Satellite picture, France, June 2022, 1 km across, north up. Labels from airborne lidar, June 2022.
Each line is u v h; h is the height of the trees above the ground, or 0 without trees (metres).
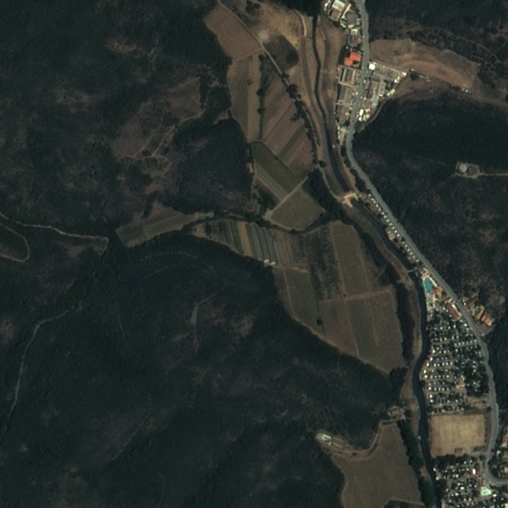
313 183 10
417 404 0
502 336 6
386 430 0
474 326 0
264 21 0
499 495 7
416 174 6
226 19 0
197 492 13
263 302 7
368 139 8
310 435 9
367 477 0
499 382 8
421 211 7
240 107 0
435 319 9
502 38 7
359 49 11
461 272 7
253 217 14
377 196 0
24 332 9
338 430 7
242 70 0
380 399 8
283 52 0
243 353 6
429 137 6
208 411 9
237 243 0
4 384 8
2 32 6
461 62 6
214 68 7
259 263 11
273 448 6
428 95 0
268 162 0
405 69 0
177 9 9
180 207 12
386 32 7
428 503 25
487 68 7
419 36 6
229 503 8
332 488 6
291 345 6
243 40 0
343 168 0
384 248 0
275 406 6
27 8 9
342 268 0
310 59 0
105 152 7
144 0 6
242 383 0
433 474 0
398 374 14
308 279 0
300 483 8
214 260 7
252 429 11
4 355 7
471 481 8
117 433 0
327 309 0
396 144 9
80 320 8
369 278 0
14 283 6
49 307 9
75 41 6
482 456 8
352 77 0
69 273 6
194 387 6
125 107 7
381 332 0
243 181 7
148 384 5
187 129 7
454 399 12
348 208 0
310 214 0
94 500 0
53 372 9
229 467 6
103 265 13
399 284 7
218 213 9
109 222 8
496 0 7
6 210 8
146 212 7
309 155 0
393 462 0
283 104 0
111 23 6
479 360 10
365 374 9
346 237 0
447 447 0
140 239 0
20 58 6
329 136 0
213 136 6
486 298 8
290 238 0
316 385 7
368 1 10
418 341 0
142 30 6
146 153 10
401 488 0
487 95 0
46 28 7
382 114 8
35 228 7
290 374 5
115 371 10
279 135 0
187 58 6
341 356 10
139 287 7
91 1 6
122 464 7
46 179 6
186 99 0
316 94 0
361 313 0
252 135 0
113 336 6
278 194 0
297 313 0
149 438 9
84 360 8
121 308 6
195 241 13
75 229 9
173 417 6
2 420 9
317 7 14
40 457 6
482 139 6
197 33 9
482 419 0
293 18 0
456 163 6
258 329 10
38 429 6
